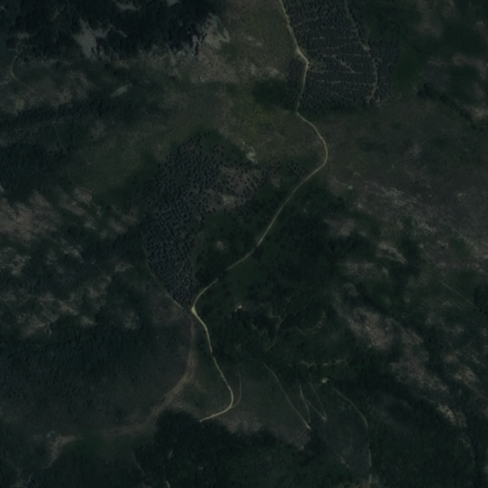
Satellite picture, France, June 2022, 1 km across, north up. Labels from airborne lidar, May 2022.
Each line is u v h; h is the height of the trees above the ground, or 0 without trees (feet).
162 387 0
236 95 0
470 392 27
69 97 0
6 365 41
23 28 45
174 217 51
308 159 0
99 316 51
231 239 28
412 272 0
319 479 0
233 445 39
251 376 0
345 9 44
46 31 36
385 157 0
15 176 27
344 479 36
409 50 0
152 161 0
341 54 50
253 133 0
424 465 32
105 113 28
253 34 0
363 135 0
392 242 0
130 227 32
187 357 0
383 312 41
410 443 37
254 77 0
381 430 31
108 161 0
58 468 28
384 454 35
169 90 0
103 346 25
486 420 0
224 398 0
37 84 0
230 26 0
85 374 33
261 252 36
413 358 0
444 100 43
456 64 0
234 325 51
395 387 79
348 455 0
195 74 0
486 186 0
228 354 24
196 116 0
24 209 0
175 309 0
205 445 59
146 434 0
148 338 29
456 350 0
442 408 0
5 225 0
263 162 0
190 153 36
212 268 41
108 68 30
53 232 22
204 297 22
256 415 0
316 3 26
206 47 0
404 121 0
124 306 22
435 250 0
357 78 52
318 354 28
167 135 0
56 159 17
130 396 0
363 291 35
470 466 53
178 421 46
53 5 26
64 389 23
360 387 29
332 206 18
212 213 42
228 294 25
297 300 50
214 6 20
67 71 20
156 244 49
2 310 23
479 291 38
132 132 0
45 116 49
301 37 38
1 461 27
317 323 47
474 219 0
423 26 0
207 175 47
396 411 24
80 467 19
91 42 0
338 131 0
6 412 0
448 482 43
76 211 0
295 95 34
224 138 0
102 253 43
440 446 43
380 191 0
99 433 0
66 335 29
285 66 0
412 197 0
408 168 0
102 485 41
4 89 0
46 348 48
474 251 0
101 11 35
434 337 38
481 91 0
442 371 26
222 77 0
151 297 0
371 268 0
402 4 0
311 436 25
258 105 0
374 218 0
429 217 0
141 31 35
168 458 45
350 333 39
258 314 25
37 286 22
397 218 0
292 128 0
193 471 52
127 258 22
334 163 0
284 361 31
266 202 28
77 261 24
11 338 29
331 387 51
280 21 0
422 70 0
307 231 24
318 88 45
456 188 0
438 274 0
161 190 31
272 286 49
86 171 20
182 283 41
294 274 33
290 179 0
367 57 44
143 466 31
